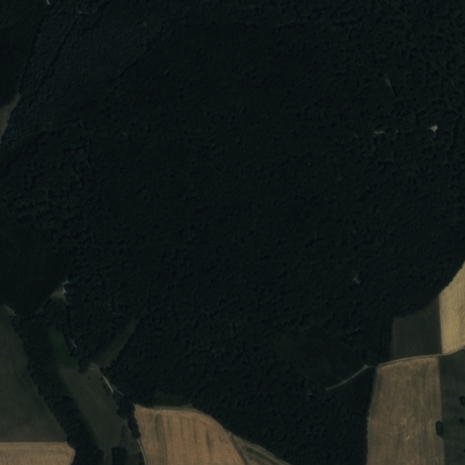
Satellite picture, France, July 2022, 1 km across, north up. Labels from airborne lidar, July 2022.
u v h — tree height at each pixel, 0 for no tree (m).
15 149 6
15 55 17
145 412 0
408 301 21
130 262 22
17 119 22
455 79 28
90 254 25
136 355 23
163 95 26
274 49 24
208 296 26
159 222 27
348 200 30
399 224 24
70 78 27
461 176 23
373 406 0
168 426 0
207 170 29
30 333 24
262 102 26
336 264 31
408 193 21
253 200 24
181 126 28
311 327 25
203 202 27
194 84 24
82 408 0
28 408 0
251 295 25
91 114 28
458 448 0
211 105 28
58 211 29
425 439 0
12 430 0
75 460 13
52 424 0
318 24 8
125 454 15
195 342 25
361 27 26
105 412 0
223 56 25
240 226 23
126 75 27
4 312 0
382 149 24
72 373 0
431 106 23
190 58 25
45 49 22
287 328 24
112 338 21
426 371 0
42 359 20
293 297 26
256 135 25
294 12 31
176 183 26
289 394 24
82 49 28
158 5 30
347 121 25
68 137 32
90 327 27
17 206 28
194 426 0
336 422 27
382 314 20
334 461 21
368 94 27
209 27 26
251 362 27
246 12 35
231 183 27
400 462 0
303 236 24
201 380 28
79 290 28
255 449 0
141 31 25
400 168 23
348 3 29
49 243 27
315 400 26
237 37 26
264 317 27
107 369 6
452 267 21
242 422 26
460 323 0
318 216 26
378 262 20
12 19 22
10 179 26
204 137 24
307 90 28
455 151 23
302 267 22
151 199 24
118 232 27
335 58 27
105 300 25
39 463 0
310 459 17
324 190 25
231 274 25
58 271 6
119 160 28
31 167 27
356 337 26
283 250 25
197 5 37
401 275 20
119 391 9
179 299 25
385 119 25
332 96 31
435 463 0
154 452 0
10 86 16
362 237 24
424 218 21
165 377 26
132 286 24
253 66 21
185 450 0
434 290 17
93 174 24
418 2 23
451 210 17
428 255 19
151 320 25
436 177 23
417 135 23
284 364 28
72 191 29
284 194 25
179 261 28
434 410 0
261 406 28
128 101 28
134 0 26
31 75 23
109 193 25
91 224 30
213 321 27
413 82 26
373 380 6
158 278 26
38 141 14
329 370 0
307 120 30
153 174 27
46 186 29
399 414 0
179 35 26
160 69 28
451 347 0
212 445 0
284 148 26
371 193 25
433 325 0
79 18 29
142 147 27
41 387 16
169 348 25
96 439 0
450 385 0
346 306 25
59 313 12
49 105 26
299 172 27
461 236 22
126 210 28
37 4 22
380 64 30
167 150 26
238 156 24
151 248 24
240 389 23
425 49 24
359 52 25
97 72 24
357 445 28
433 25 24
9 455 0
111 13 27
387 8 25
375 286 24
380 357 8
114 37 28
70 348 15
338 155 27
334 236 29
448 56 25
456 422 0
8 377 0
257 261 24
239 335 23
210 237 26
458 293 0
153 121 28
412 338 0
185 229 28
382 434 0
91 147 28
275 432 28
